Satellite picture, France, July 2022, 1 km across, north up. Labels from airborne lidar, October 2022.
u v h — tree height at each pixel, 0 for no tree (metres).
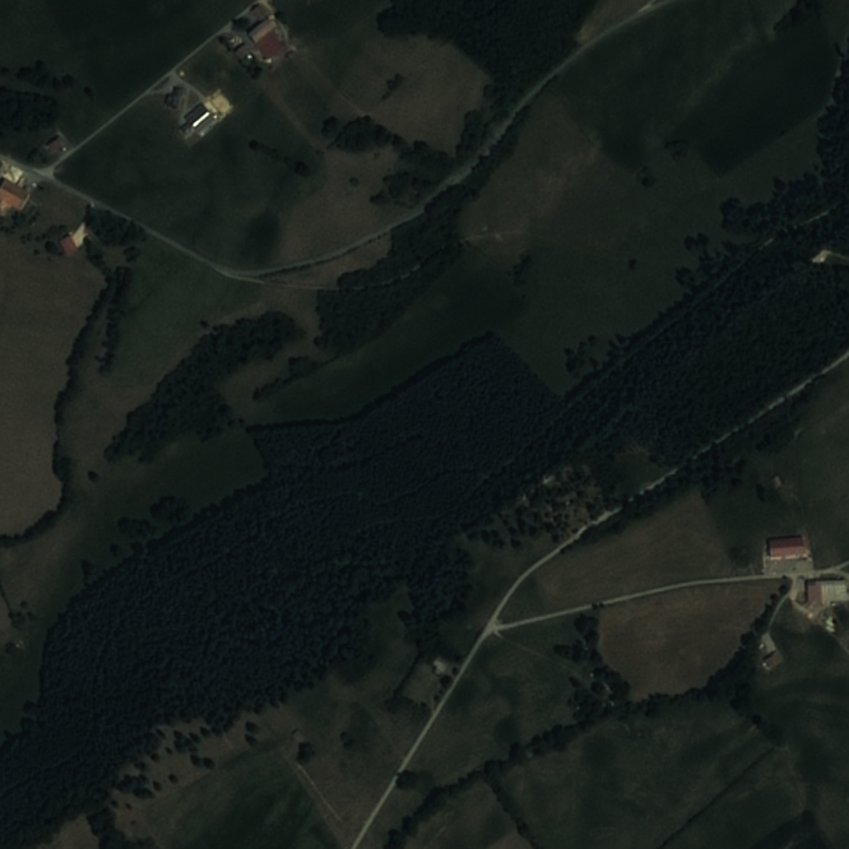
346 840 0
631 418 14
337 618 34
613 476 11
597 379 14
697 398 8
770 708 0
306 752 18
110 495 0
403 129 0
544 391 18
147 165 0
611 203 0
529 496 7
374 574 29
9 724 0
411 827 22
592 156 0
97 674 13
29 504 0
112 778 16
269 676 28
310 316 0
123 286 18
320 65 0
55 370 0
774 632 0
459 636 0
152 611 19
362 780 0
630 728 0
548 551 0
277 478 17
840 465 0
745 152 0
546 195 0
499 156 11
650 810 0
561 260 0
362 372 0
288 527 19
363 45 0
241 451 0
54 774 18
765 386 9
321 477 16
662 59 0
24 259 0
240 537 16
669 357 12
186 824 0
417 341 0
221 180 0
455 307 0
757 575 0
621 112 0
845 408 0
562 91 0
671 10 0
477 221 0
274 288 0
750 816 0
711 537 0
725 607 0
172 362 0
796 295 9
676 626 0
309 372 10
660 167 0
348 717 0
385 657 0
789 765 0
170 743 0
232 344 24
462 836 0
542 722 0
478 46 14
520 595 0
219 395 6
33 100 14
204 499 0
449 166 9
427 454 17
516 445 16
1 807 15
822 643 0
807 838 0
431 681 0
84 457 0
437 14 13
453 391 20
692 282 17
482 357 20
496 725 0
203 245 0
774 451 20
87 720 19
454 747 0
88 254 7
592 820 0
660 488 14
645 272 0
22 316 0
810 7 24
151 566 23
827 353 12
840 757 0
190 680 28
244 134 0
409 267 6
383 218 0
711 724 0
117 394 0
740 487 15
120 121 0
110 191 0
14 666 0
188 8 0
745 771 0
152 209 0
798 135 0
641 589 0
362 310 11
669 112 0
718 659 0
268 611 27
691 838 0
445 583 30
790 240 9
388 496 17
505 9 13
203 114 0
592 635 21
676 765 0
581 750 0
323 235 0
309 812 0
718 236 0
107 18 0
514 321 0
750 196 0
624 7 0
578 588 0
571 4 6
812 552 0
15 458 0
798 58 0
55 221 0
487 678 0
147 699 15
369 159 0
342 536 15
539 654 0
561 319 0
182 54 0
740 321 11
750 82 0
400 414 21
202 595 17
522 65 7
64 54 0
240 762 0
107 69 0
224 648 33
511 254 0
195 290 0
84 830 0
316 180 0
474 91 0
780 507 0
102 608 18
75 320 0
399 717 0
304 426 18
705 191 0
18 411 0
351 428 19
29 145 0
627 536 0
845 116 16
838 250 13
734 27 0
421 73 0
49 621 0
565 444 14
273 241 0
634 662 0
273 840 0
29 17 0
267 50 0
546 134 0
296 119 0
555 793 0
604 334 0
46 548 0
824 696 0
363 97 0
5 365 0
